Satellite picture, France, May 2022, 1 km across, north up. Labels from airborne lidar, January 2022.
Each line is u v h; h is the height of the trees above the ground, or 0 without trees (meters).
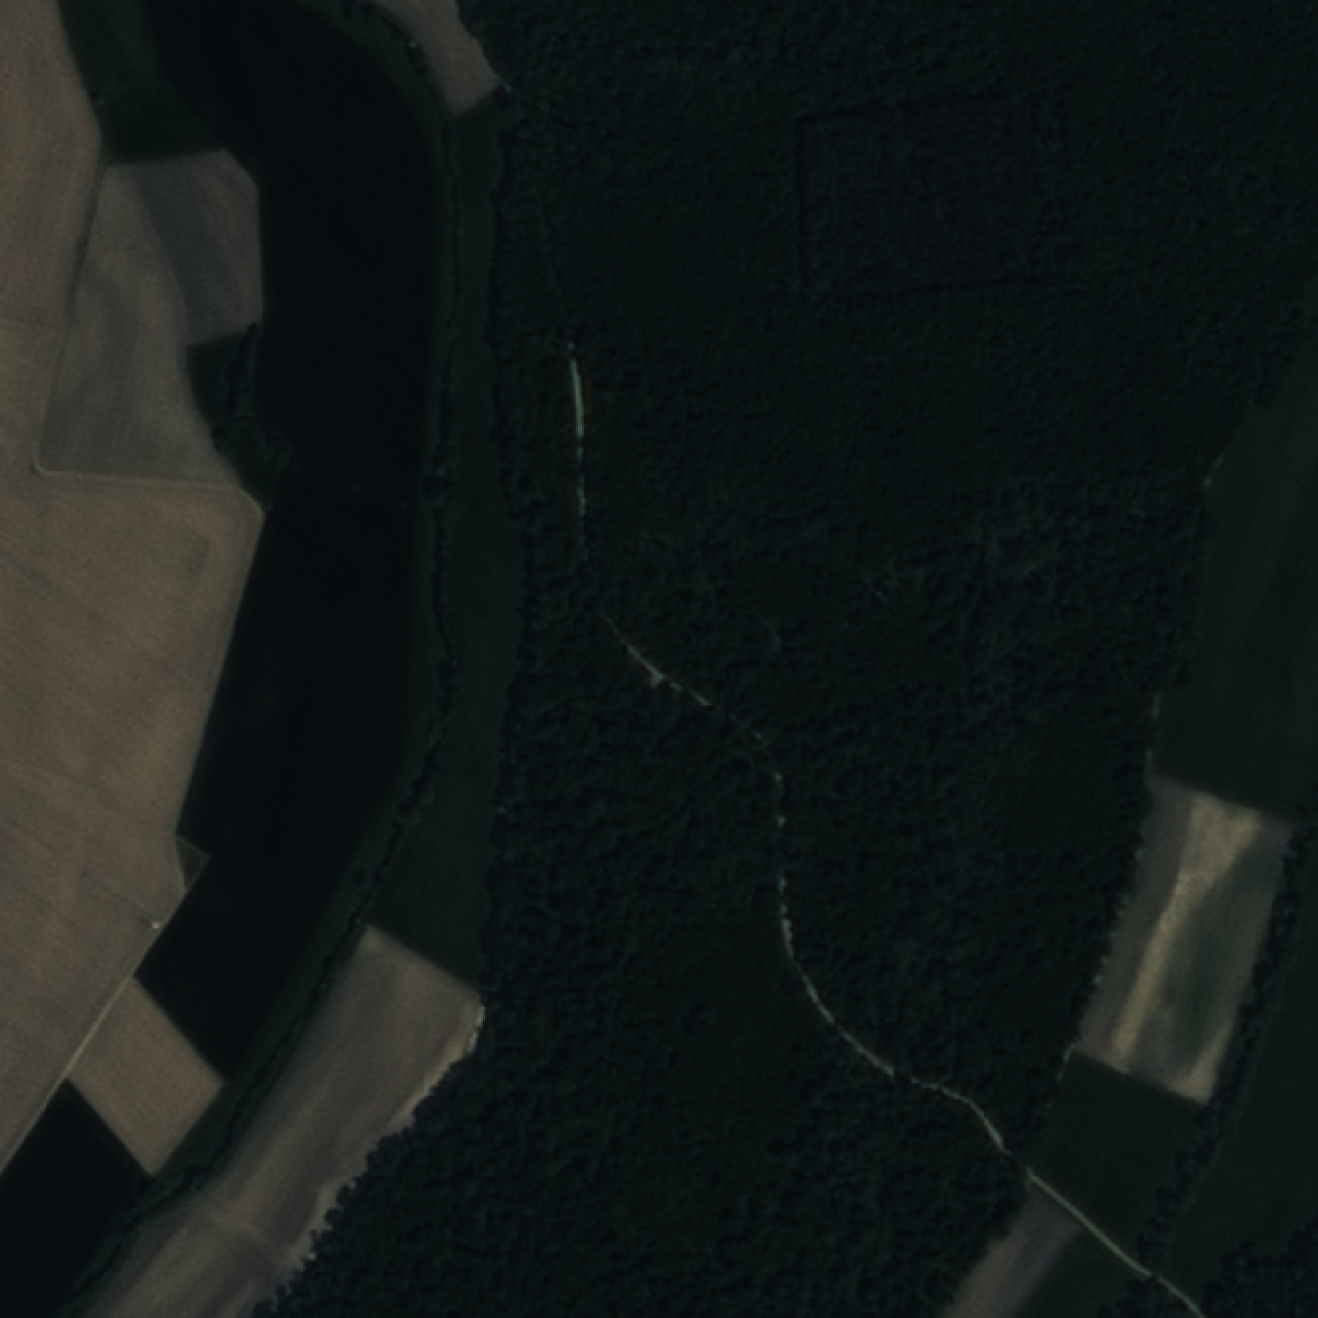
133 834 0
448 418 14
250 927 0
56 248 0
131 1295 0
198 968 0
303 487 0
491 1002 17
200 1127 0
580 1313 8
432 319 0
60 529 0
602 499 14
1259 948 0
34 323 0
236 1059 0
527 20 19
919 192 12
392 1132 0
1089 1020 0
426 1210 20
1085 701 22
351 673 0
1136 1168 0
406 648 0
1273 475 0
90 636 0
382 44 0
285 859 0
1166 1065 0
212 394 0
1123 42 22
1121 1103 0
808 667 15
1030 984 11
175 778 0
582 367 12
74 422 0
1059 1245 0
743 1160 8
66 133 0
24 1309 0
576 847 19
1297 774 0
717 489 22
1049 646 17
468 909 0
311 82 0
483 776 0
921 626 8
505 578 0
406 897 0
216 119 0
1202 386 21
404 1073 0
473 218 0
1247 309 20
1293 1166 0
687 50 26
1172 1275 0
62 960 0
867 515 18
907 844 8
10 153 0
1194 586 21
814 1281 12
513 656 0
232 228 0
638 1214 13
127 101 0
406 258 0
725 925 12
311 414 0
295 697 0
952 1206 19
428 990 0
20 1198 0
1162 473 23
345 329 0
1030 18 21
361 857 0
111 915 0
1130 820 15
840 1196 15
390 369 0
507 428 19
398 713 0
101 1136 0
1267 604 0
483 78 0
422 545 0
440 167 0
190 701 0
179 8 0
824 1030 12
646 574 22
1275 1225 0
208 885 0
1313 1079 0
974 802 20
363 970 0
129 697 0
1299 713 0
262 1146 0
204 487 0
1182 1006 0
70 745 0
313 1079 0
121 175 0
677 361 20
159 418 0
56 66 0
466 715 0
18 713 0
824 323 23
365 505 0
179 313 0
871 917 13
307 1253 0
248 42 0
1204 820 0
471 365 0
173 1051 0
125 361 0
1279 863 0
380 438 0
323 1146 0
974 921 20
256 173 0
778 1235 6
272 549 0
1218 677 0
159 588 0
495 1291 22
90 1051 0
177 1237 0
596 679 24
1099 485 19
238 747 0
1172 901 0
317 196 0
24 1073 0
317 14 0
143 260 0
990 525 26
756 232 19
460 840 0
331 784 0
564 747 24
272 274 0
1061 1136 0
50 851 0
